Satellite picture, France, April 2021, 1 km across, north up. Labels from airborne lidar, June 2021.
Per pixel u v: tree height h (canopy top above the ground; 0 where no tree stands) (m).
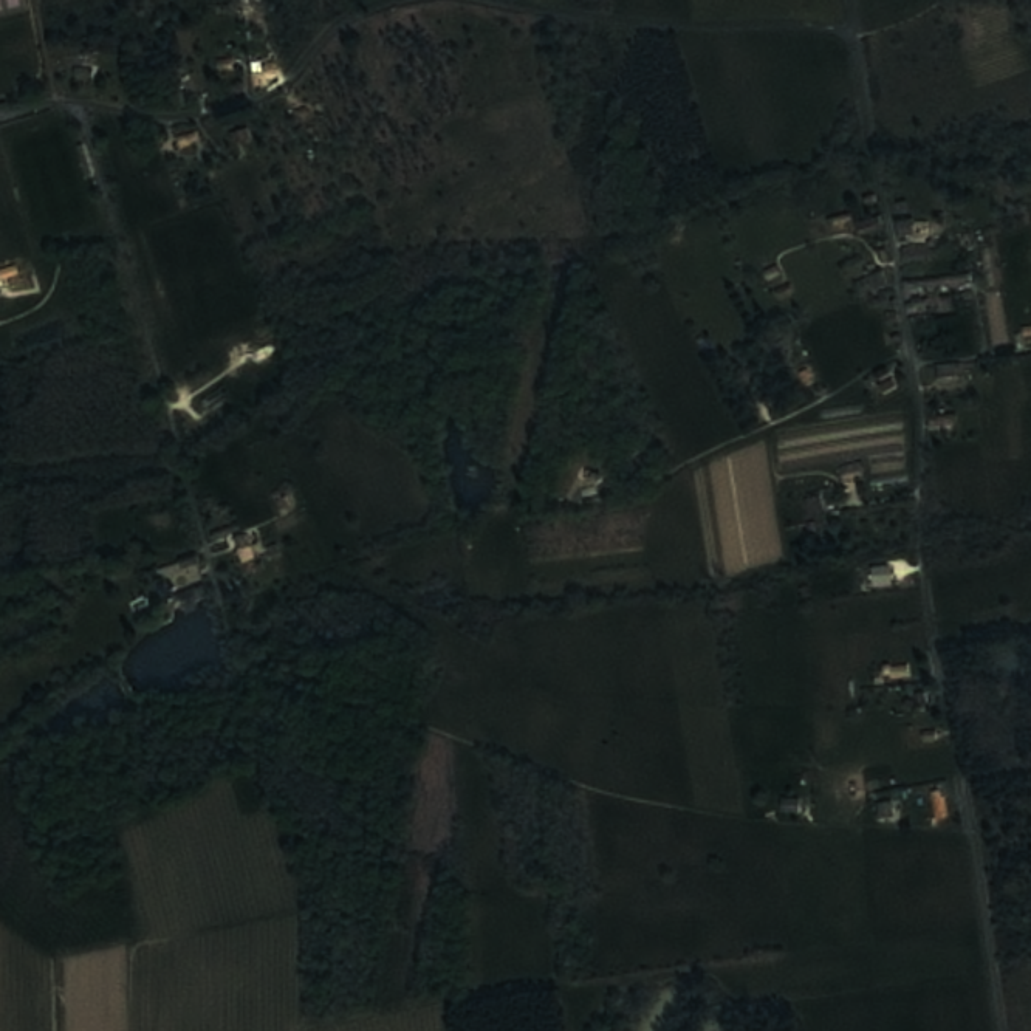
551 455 20
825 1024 0
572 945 8
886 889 0
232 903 0
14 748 17
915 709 9
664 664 0
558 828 20
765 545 0
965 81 0
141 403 14
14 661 11
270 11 19
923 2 0
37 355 8
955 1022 0
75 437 17
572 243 8
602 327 19
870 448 0
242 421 21
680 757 0
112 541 0
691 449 0
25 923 8
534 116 0
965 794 0
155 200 0
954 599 0
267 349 0
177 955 0
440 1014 0
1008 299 0
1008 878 13
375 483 0
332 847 19
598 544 11
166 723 21
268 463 0
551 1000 15
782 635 0
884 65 0
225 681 17
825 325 0
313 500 0
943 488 0
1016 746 12
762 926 0
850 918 0
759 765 0
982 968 0
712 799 0
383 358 21
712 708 0
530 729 0
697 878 0
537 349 0
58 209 0
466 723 0
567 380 21
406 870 8
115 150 0
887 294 8
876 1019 0
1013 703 12
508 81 0
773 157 0
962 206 20
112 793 17
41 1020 0
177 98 15
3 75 0
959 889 0
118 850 18
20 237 0
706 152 10
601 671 0
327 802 20
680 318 0
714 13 0
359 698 21
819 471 0
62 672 7
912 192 0
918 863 0
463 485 0
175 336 0
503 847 8
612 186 15
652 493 19
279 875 0
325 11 10
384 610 16
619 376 19
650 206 21
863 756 0
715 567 0
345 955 20
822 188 0
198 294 0
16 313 0
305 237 16
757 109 0
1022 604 0
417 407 25
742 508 0
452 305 24
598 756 0
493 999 18
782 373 9
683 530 0
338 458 0
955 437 6
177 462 18
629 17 0
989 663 8
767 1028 17
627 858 0
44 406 18
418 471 9
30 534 10
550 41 16
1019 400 0
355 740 21
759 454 0
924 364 0
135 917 0
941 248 11
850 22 0
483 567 0
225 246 0
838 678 0
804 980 0
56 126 0
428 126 14
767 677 0
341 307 21
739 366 7
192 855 0
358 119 10
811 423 0
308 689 18
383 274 20
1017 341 0
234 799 0
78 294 18
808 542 14
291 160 6
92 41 9
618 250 24
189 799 13
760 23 0
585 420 16
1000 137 17
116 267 13
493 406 20
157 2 8
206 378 11
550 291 9
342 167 13
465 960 18
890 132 0
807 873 0
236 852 0
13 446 16
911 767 0
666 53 11
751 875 0
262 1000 0
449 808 0
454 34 0
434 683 10
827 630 0
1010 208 7
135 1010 0
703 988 17
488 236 0
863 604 0
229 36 0
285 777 24
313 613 14
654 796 0
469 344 23
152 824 0
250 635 12
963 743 17
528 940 0
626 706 0
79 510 15
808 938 0
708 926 0
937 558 9
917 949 0
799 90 0
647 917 0
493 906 0
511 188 0
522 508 20
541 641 0
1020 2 8
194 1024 0
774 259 0
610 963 0
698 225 0
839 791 0
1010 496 0
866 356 0
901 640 0
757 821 0
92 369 15
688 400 0
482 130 0
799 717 0
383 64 0
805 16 0
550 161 0
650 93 12
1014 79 0
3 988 0
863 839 0
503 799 10
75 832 23
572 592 10
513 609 12
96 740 21
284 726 19
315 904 11
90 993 0
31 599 15
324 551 0
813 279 0
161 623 18
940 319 6
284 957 0
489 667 0
